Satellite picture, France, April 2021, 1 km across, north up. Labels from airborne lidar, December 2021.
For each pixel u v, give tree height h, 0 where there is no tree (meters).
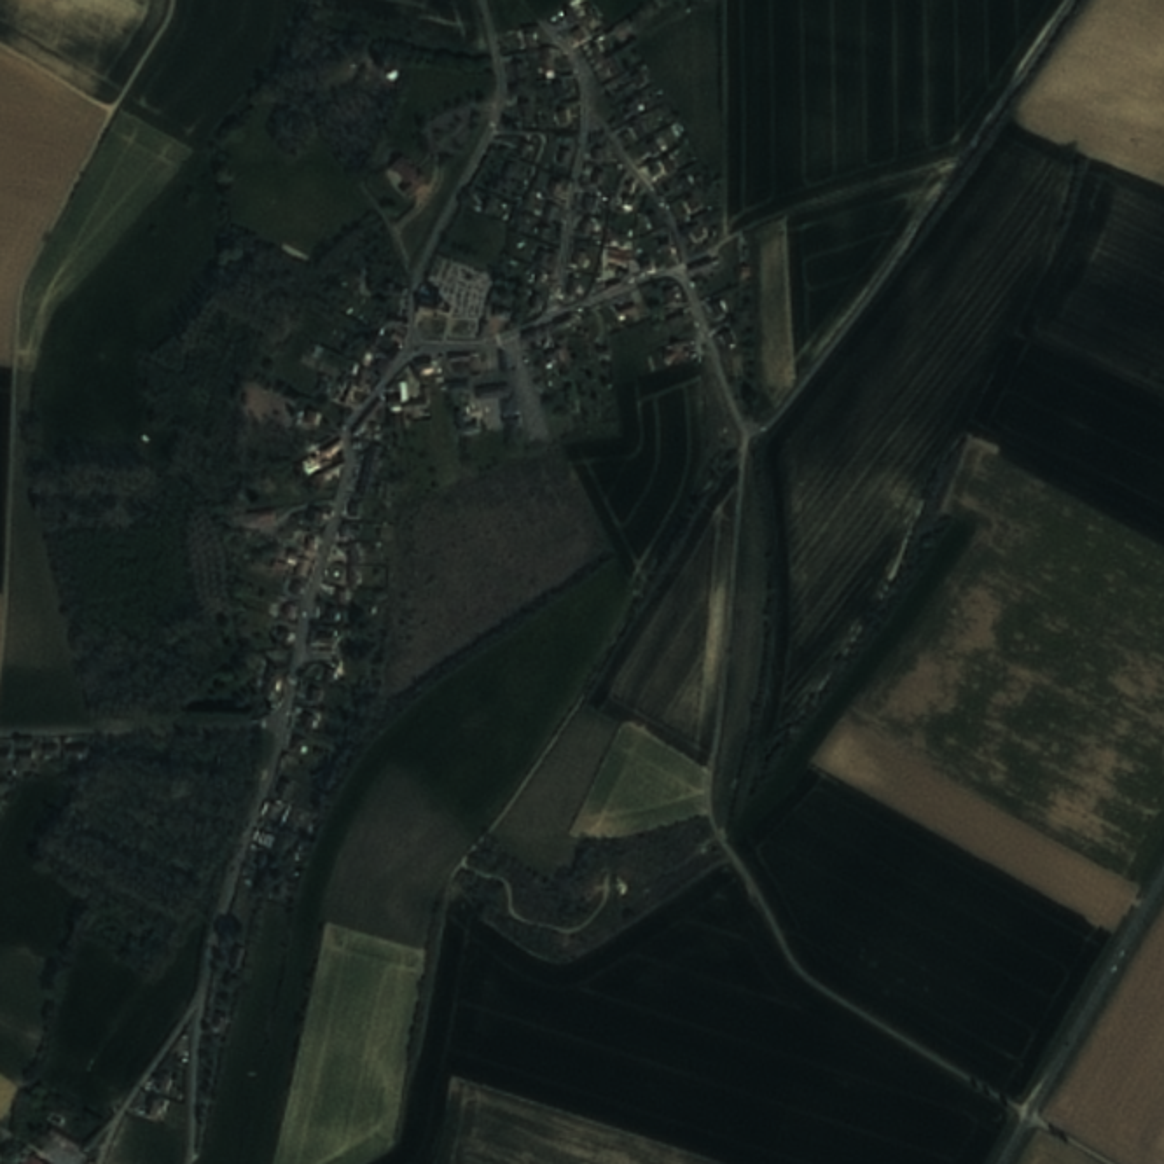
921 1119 0
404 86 12
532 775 0
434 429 0
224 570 24
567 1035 0
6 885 0
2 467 0
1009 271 0
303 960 0
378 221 6
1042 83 0
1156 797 0
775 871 0
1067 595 0
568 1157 0
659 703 0
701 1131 0
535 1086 0
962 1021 0
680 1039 0
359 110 27
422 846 0
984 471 0
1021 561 0
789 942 0
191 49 0
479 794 0
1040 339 0
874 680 0
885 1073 0
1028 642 0
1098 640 0
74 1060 0
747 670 0
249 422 19
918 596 0
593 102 0
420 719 0
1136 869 0
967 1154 0
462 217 0
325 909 0
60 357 0
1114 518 0
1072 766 0
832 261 0
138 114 0
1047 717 0
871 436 0
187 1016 0
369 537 0
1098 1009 0
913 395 0
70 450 0
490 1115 0
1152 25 0
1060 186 0
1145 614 0
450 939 0
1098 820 0
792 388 0
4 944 0
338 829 0
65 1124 0
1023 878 0
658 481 0
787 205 0
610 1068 0
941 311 0
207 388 10
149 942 9
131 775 25
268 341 16
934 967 0
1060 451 0
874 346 0
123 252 0
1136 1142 0
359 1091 0
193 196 12
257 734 13
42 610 0
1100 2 0
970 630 0
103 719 24
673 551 9
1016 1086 0
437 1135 0
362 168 23
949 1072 0
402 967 0
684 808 0
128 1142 0
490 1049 0
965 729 0
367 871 0
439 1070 0
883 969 0
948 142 0
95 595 13
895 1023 0
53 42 0
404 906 0
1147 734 0
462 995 0
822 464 0
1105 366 0
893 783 0
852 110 0
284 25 0
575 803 0
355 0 0
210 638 25
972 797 0
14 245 0
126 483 33
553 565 0
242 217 0
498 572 0
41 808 0
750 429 0
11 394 0
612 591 0
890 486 0
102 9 0
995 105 0
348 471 0
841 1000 0
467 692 0
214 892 18
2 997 0
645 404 0
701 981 0
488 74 7
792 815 0
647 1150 0
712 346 0
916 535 8
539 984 0
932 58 0
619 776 0
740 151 0
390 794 0
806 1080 0
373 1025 0
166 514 11
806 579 0
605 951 0
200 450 7
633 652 0
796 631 0
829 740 0
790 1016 0
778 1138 0
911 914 0
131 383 0
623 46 7
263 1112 0
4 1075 0
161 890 32
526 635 0
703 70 0
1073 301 0
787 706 0
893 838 0
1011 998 0
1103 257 0
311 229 0
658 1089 0
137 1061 0
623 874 0
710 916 0
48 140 0
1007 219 0
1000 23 0
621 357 0
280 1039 0
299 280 11
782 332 0
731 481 0
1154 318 0
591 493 0
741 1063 0
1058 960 0
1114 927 0
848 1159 0
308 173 0
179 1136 0
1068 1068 0
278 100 8
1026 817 0
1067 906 0
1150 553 0
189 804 22
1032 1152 0
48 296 0
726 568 0
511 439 19
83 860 35
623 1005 0
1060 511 0
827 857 0
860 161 0
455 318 0
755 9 0
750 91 0
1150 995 0
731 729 0
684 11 11
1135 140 0
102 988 0
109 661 19
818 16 0
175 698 21
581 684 0
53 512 26
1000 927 0
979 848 0
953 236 0
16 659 0
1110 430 0
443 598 0
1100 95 0
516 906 0
